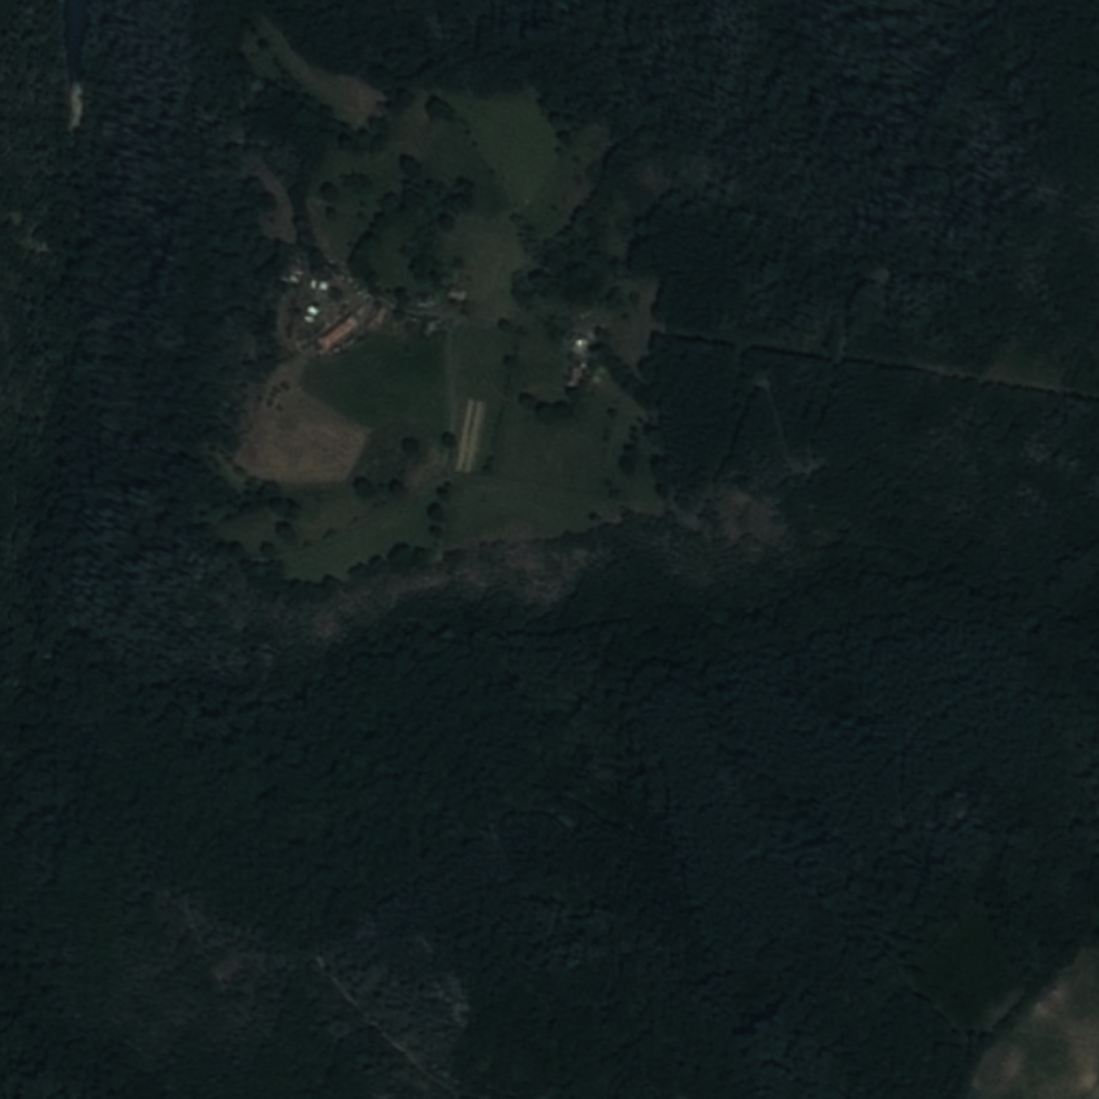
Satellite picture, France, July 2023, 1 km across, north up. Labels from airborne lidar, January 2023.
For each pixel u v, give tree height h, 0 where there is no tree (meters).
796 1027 14
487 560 8
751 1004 14
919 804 26
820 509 13
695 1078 13
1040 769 24
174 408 17
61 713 19
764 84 19
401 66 6
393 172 0
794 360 14
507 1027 16
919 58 27
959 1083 10
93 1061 26
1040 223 12
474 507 0
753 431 15
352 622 13
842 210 19
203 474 22
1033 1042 0
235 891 15
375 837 24
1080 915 19
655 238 14
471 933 19
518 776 21
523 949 18
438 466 0
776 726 27
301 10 15
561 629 14
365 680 26
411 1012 11
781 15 17
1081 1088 0
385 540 0
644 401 20
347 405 0
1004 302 8
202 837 22
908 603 23
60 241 17
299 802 22
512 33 20
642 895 23
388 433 0
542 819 17
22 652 32
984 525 11
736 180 9
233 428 7
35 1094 26
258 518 0
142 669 29
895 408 15
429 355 0
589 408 0
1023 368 0
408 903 20
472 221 0
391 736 22
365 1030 9
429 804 23
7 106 23
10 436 10
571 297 6
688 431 16
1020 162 15
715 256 17
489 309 0
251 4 12
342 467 0
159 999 10
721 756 28
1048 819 20
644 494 0
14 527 14
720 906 27
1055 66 13
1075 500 17
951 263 13
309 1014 14
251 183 12
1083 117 17
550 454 0
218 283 12
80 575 22
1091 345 0
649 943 20
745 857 28
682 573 11
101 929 21
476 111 0
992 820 15
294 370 0
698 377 16
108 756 20
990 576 13
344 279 0
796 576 10
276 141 8
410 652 27
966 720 28
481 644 29
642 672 8
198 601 14
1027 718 28
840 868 26
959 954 0
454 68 14
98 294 23
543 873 17
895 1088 11
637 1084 12
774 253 9
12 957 29
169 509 16
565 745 20
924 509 15
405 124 0
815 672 27
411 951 17
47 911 20
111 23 9
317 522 0
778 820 24
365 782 23
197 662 26
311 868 23
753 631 29
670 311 19
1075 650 29
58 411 17
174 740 24
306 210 13
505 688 19
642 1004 14
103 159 19
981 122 21
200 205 20
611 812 8
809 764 27
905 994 17
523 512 0
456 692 20
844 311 16
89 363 27
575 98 9
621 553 13
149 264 15
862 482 15
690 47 20
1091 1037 0
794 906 29
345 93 0
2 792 18
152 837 14
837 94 8
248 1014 7
